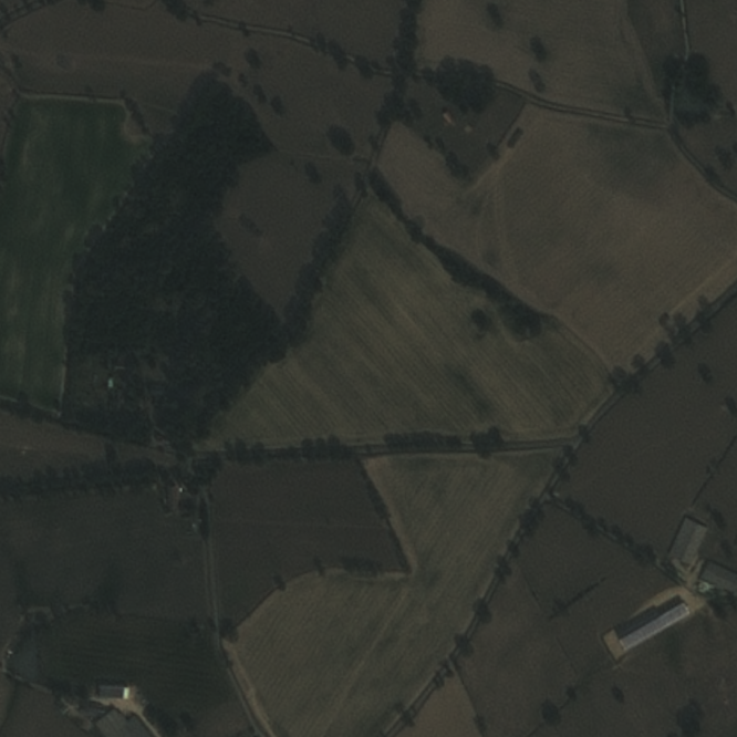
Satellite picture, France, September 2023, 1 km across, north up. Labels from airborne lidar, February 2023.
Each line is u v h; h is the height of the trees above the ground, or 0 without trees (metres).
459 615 0
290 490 0
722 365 0
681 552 0
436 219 0
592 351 0
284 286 0
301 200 0
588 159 0
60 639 0
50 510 0
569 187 0
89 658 0
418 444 15
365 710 0
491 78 16
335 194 0
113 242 8
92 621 0
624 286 0
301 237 0
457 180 0
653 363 0
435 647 0
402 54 19
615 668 0
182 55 0
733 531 0
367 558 0
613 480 0
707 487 0
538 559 0
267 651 0
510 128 0
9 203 0
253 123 21
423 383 0
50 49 0
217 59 0
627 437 0
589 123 0
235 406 0
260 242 0
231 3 0
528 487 0
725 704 0
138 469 18
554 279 0
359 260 0
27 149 0
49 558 0
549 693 0
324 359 0
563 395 0
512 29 0
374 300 0
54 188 0
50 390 0
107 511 0
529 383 0
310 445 13
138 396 18
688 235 0
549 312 0
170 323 7
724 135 0
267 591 0
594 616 0
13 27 0
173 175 8
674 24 0
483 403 0
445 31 0
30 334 0
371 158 11
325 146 0
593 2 0
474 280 13
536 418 0
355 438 0
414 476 0
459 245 0
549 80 0
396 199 6
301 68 0
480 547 0
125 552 0
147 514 0
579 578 0
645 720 0
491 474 0
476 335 0
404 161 0
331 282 0
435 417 0
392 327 0
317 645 0
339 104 0
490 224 0
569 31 0
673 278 0
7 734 0
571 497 0
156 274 14
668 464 0
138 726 0
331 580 0
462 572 0
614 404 0
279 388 0
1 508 0
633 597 0
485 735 0
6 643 0
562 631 0
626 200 0
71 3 0
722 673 0
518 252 0
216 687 0
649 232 0
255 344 6
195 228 22
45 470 0
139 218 6
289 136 0
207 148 9
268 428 0
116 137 0
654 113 0
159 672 0
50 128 0
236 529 0
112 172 0
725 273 0
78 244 0
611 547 0
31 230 0
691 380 0
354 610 0
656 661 0
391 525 6
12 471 0
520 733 0
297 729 0
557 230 0
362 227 0
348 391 0
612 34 0
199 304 10
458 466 0
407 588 0
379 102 0
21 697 0
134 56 0
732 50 0
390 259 0
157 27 0
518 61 0
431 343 0
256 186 0
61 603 0
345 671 0
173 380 20
